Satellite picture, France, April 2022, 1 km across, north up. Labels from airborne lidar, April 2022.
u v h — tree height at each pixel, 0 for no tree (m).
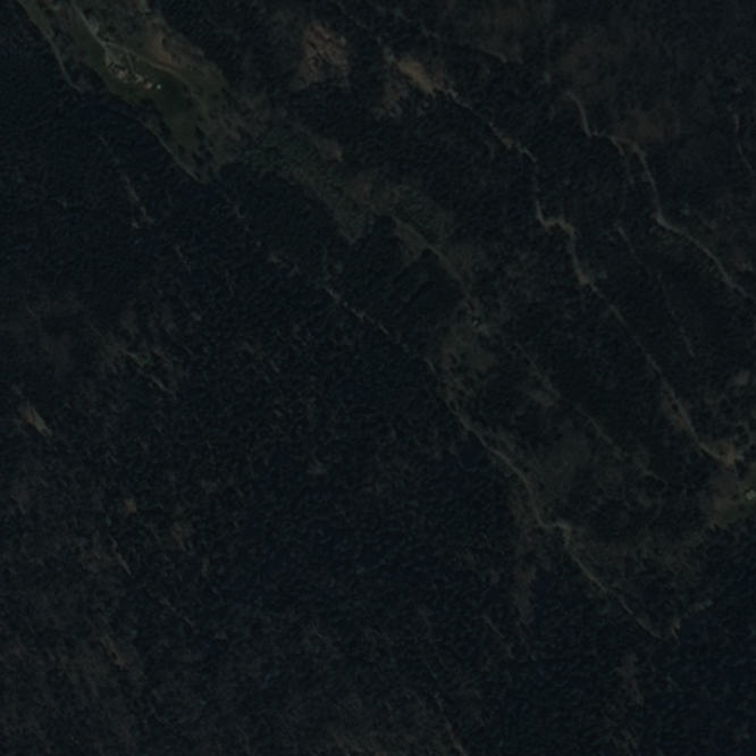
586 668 27
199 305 6
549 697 36
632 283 23
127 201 31
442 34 20
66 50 18
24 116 33
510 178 29
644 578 14
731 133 14
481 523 7
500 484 9
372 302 26
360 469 32
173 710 29
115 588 30
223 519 33
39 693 25
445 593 30
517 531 40
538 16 13
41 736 20
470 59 21
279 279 27
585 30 17
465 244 26
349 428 32
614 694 17
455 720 35
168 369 16
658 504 9
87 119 31
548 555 11
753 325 19
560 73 17
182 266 21
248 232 26
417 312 12
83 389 22
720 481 19
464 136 24
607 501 7
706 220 10
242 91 17
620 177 24
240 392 33
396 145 25
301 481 36
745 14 18
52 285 16
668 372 21
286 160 24
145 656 33
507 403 12
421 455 35
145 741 30
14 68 31
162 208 30
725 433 17
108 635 30
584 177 21
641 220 15
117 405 17
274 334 33
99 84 29
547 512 9
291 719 31
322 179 20
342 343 26
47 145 28
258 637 23
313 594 25
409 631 34
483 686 36
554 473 11
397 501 32
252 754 0
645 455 7
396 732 28
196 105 16
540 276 16
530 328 14
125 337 16
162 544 24
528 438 15
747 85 10
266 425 32
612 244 14
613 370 26
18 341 17
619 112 15
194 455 33
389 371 29
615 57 18
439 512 35
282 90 18
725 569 17
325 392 24
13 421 19
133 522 28
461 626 41
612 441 13
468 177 29
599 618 32
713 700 16
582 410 10
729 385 13
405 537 38
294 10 20
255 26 19
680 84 19
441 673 28
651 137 15
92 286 16
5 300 11
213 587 15
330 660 33
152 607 31
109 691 32
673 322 21
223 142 9
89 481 13
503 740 30
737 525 8
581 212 20
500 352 14
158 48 0
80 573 36
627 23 15
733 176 12
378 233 30
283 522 30
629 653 12
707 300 14
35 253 15
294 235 28
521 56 15
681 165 13
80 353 19
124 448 27
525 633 10
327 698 28
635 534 11
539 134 32
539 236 12
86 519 33
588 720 32
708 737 19
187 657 28
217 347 32
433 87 0
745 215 8
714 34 21
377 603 30
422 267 14
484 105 25
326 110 32
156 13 23
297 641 29
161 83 0
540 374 7
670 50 17
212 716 26
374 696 29
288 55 26
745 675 23
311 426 38
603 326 25
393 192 10
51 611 26
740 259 11
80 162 28
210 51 18
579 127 19
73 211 18
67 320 19
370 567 33
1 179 32
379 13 14
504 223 20
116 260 19
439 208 22
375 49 24
